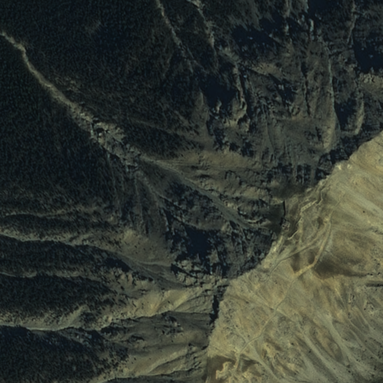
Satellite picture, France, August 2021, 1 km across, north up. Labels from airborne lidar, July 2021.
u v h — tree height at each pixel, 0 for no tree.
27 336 7
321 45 0
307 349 0
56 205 7
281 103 0
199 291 0
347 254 0
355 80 0
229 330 0
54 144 13
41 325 0
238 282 0
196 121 0
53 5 6
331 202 0
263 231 0
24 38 13
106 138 0
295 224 0
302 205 0
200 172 0
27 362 7
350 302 0
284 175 0
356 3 0
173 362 0
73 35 11
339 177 0
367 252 0
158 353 0
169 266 0
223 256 0
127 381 0
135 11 11
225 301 0
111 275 0
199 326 0
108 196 8
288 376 0
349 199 0
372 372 0
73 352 9
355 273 0
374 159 0
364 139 0
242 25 0
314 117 0
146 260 0
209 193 0
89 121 0
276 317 0
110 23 12
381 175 0
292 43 0
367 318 0
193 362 0
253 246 0
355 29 0
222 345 0
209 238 0
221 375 0
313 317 0
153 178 0
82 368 10
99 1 11
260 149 0
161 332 0
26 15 12
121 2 15
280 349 0
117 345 0
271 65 0
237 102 0
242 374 0
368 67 0
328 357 0
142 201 0
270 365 0
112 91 9
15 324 0
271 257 0
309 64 0
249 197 0
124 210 0
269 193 0
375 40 0
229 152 0
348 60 0
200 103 0
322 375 0
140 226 0
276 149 0
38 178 8
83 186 9
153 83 13
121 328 0
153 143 7
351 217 0
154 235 0
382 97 0
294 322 0
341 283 0
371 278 0
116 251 0
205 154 0
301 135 0
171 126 9
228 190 0
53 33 10
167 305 0
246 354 0
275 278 0
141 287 0
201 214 0
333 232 0
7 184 9
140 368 0
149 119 7
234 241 0
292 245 0
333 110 0
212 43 0
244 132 0
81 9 9
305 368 0
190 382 0
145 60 16
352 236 0
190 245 0
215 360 0
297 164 0
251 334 0
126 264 0
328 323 0
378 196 0
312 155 0
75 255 9
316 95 0
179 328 0
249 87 0
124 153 0
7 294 11
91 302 9
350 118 0
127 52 9
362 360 0
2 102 14
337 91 0
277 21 0
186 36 6
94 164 8
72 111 0
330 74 0
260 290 0
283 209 0
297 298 0
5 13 13
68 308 7
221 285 0
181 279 0
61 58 14
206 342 0
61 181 11
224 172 0
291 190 0
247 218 0
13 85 7
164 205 0
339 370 0
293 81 0
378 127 0
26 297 12
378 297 0
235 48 0
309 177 0
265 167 0
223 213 0
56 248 7
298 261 0
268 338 0
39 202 8
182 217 0
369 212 0
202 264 0
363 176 0
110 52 10
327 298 0
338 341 0
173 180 0
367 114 0
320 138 0
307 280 0
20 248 9
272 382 0
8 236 0
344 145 0
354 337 0
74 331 0
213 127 0
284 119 0
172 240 0
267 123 0
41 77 0
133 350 0
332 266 0
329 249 0
